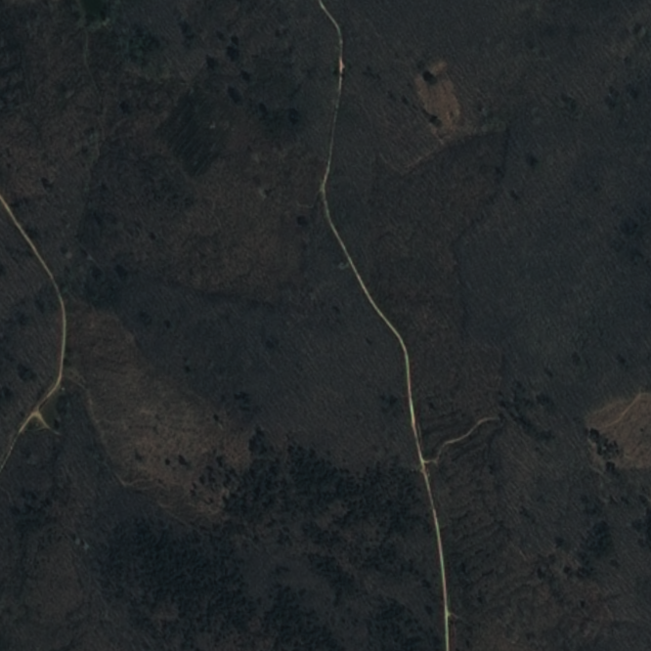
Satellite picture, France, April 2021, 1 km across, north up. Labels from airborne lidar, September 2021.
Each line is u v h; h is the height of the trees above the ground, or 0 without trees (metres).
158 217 7
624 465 0
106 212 8
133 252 7
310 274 12
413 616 12
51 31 6
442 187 9
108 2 15
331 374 13
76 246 11
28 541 9
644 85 22
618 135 21
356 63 11
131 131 6
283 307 15
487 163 6
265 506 6
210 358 7
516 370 17
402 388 12
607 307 20
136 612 11
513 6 17
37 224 15
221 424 21
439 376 9
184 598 10
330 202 16
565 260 21
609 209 18
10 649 11
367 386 11
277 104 10
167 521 13
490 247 18
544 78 16
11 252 18
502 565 9
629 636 18
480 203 8
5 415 16
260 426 12
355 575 7
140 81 6
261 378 13
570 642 22
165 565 15
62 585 8
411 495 8
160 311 17
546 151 21
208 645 6
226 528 8
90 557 9
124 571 15
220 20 11
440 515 11
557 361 16
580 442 17
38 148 6
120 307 16
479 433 6
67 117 7
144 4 19
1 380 16
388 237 8
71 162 10
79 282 18
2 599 19
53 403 0
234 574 7
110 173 7
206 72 7
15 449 12
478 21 17
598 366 19
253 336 19
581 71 20
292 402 17
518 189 19
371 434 13
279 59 6
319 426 11
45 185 8
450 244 10
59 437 7
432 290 7
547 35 18
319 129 17
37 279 15
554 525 19
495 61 16
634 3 19
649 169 19
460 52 17
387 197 7
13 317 15
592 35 18
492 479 7
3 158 6
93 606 11
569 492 13
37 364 18
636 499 18
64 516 7
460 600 9
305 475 15
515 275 19
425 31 16
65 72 6
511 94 16
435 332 7
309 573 11
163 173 7
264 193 23
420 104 14
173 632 11
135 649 16
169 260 7
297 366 17
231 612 10
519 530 17
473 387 6
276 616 11
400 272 6
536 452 18
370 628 13
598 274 17
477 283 18
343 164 17
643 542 19
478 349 9
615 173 23
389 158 13
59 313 20
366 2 18
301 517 11
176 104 23
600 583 19
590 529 19
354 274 14
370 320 15
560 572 21
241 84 9
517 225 20
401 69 13
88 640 9
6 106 20
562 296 20
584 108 20
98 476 15
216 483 22
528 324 15
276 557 12
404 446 13
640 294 19
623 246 18
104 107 7
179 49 22
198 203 8
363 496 8
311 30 14
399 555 8
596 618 7
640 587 22
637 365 20
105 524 14
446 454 7
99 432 18
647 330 18
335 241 12
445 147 8
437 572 7
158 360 15
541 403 13
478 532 5
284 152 21
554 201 22
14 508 10
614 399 19
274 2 17
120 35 21
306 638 9
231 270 6
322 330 15
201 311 17
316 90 16
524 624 24
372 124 13
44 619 21
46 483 12
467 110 15
